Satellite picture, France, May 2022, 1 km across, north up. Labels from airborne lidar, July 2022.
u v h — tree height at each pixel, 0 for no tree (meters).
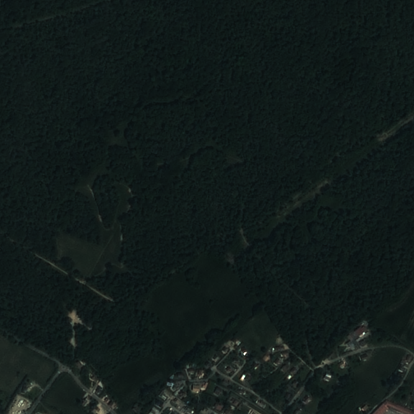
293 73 17
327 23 20
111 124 22
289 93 14
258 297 12
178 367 22
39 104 18
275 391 12
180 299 0
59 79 18
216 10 16
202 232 16
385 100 15
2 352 0
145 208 17
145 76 22
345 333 17
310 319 10
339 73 14
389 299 21
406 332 0
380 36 18
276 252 21
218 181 18
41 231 18
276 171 16
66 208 15
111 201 20
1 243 23
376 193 19
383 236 19
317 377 18
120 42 16
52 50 15
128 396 0
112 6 19
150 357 0
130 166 19
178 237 14
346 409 0
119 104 24
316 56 19
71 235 19
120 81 15
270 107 17
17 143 20
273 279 26
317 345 24
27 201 13
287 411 14
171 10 18
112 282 17
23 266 20
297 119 20
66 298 20
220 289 0
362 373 0
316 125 18
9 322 21
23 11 19
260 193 10
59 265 20
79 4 12
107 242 0
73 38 18
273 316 18
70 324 5
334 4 24
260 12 12
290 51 19
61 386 0
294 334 19
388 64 15
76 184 20
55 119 17
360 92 24
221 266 0
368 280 20
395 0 21
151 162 24
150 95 21
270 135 18
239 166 17
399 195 22
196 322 0
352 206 21
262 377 8
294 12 18
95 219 22
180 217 16
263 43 9
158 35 19
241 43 18
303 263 22
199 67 20
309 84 22
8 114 11
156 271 14
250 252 21
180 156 22
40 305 6
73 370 7
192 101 8
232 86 19
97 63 12
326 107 18
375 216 17
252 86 16
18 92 16
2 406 8
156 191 21
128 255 18
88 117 21
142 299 10
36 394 0
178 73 24
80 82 16
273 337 0
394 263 23
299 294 23
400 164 24
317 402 0
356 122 19
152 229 17
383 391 0
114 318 14
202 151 17
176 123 18
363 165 18
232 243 25
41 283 16
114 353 9
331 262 6
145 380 0
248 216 13
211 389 0
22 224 17
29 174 20
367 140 19
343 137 21
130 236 12
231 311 0
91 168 21
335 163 19
